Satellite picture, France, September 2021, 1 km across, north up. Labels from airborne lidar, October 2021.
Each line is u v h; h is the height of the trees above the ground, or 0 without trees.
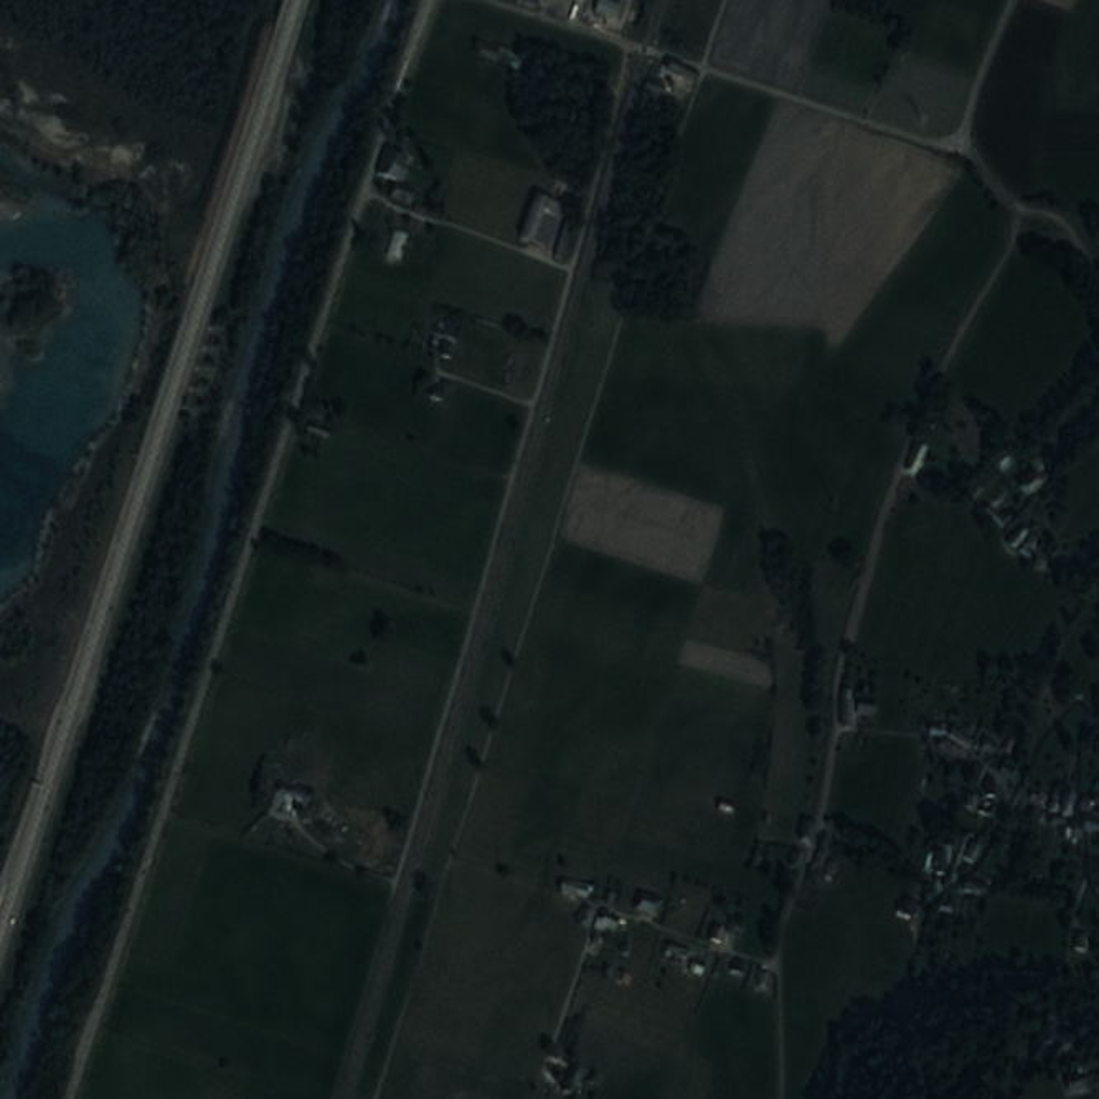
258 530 0
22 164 0
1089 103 0
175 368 0
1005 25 0
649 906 0
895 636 0
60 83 0
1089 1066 14
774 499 0
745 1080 0
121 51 15
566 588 0
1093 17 0
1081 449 23
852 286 0
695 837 0
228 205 0
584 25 0
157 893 0
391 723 0
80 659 0
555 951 0
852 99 0
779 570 11
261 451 16
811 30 0
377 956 0
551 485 0
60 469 0
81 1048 0
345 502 0
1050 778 0
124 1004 0
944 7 0
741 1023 0
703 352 0
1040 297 0
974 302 0
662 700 0
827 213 0
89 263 0
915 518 0
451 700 0
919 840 9
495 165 0
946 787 6
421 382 12
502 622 0
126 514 0
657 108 14
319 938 0
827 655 7
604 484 0
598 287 0
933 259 0
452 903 0
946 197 0
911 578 0
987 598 0
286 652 0
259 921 0
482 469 0
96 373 0
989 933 0
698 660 0
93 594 0
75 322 0
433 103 0
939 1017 24
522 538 0
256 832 0
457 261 0
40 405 0
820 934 0
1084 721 0
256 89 0
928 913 12
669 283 22
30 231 0
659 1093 0
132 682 20
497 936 0
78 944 10
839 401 0
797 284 0
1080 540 0
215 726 0
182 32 15
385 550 0
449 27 0
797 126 0
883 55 0
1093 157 0
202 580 0
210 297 0
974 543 0
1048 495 7
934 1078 23
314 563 11
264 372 11
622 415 0
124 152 0
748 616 0
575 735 0
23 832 0
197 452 17
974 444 0
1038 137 0
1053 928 0
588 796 0
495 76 0
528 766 0
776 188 0
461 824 0
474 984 0
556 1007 0
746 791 0
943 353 0
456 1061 0
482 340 0
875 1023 22
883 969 0
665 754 0
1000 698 7
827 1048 0
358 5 20
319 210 13
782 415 0
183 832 0
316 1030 0
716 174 0
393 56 17
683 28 0
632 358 0
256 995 0
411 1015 0
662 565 0
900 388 0
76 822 16
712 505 0
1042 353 0
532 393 0
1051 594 0
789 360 0
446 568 0
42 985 0
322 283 19
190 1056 0
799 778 0
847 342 0
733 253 0
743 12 0
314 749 0
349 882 0
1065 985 14
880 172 0
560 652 0
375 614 0
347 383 0
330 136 0
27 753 18
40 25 16
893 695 0
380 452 0
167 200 0
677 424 0
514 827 0
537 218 0
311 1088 0
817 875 7
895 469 0
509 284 0
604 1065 0
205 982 0
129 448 0
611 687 0
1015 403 0
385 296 0
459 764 0
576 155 26
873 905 0
